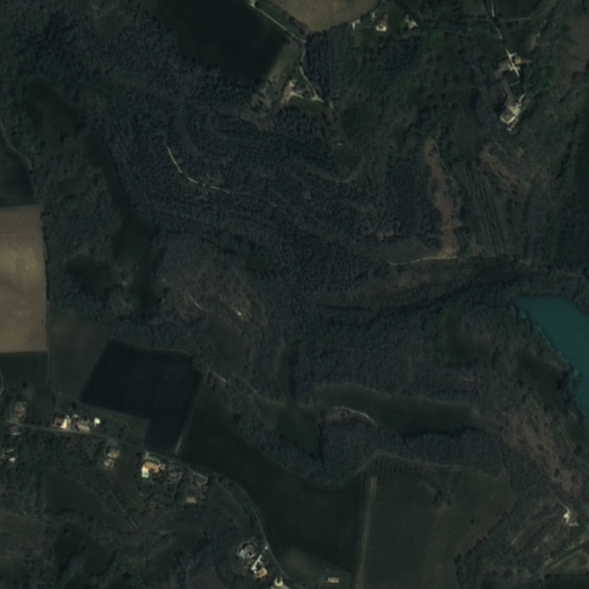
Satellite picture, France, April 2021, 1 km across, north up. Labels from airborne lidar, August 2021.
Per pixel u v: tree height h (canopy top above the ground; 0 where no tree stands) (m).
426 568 0
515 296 17
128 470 0
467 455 17
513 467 17
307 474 20
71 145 20
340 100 13
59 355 0
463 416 0
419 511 0
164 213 25
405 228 11
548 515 12
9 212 0
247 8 0
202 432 0
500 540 18
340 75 11
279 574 11
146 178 17
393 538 0
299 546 0
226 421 0
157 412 0
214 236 7
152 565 16
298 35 6
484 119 26
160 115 14
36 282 0
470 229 26
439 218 22
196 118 14
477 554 19
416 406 0
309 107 0
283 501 0
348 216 14
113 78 21
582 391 0
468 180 38
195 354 12
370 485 0
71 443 12
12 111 15
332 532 0
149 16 14
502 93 16
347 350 21
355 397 0
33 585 18
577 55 0
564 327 0
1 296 0
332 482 20
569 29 8
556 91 15
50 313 0
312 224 16
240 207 14
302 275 18
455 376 15
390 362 23
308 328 28
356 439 11
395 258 12
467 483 0
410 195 19
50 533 15
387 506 0
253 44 0
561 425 18
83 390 0
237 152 16
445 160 19
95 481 18
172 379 0
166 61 12
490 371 20
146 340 19
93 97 38
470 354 0
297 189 14
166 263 21
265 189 11
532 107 9
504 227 40
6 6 15
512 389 7
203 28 0
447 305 27
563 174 10
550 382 0
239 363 0
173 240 22
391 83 16
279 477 0
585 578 7
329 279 16
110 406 0
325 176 17
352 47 14
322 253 21
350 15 0
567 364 16
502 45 13
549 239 21
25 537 0
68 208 23
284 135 15
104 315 24
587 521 13
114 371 0
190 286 9
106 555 0
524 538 0
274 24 0
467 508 0
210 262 15
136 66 17
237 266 24
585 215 6
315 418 0
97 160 0
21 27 24
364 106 6
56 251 23
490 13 9
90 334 0
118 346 0
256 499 0
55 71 20
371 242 13
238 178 16
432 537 0
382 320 18
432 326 28
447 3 16
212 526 21
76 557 17
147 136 18
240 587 12
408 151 20
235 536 17
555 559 15
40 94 0
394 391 17
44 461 15
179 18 0
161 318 13
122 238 0
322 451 15
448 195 11
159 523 16
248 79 0
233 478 0
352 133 8
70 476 26
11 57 27
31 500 12
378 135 17
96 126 21
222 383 13
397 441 17
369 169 0
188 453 0
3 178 0
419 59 17
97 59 18
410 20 8
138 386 0
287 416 0
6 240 0
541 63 25
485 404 15
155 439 0
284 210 11
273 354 26
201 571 10
